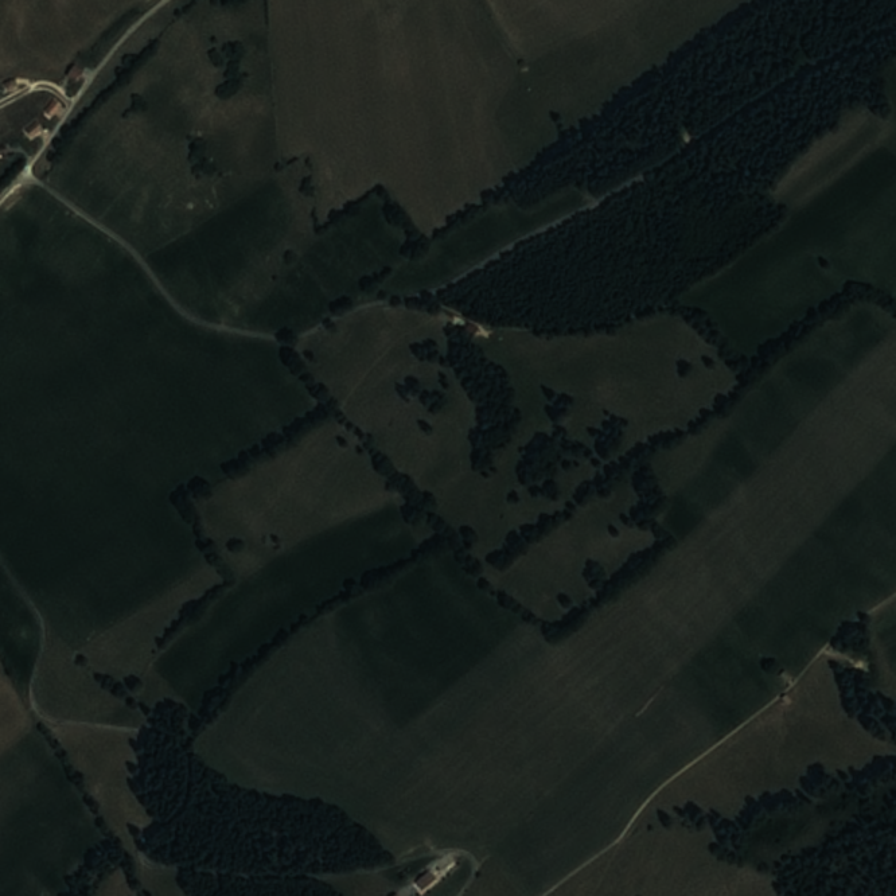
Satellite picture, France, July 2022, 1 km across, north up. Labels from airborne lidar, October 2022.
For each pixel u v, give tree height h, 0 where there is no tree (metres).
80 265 0
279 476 0
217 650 0
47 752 0
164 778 26
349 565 0
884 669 0
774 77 18
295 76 0
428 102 0
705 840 0
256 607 0
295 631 13
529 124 0
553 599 0
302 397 0
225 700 22
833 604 0
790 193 0
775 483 0
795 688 0
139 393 0
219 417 0
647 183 7
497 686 0
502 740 0
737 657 0
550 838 0
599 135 31
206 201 0
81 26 0
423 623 0
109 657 0
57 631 0
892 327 0
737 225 8
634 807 0
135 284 0
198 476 0
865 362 0
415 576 0
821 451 0
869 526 0
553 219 0
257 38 0
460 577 0
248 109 0
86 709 0
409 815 0
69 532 0
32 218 0
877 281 0
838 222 0
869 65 21
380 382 0
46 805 0
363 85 0
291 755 0
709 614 0
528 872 0
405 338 0
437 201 0
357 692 0
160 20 0
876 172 0
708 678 0
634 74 0
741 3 0
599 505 0
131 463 0
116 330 0
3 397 0
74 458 0
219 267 0
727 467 0
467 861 0
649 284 11
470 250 0
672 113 28
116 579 0
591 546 0
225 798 26
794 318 0
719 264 12
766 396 0
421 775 0
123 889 0
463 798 0
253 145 0
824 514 0
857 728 0
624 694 0
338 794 0
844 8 26
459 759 0
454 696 0
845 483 0
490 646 0
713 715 0
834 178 0
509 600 17
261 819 20
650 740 0
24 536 0
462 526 0
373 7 0
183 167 0
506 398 24
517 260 10
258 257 0
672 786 0
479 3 0
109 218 0
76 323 0
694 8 0
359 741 0
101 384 0
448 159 0
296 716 0
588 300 11
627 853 0
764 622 0
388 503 0
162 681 0
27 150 0
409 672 0
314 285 0
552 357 0
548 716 0
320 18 0
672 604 0
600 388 0
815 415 0
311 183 10
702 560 0
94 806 21
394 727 0
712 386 0
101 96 7
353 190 0
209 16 0
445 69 0
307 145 0
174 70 0
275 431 0
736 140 25
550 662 0
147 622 0
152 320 0
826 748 0
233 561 0
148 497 0
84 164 0
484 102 0
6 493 0
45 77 0
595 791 0
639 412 0
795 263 0
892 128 0
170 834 24
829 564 0
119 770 0
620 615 0
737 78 27
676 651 0
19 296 0
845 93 24
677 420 0
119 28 0
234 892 14
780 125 17
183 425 0
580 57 0
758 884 0
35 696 0
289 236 0
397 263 0
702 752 0
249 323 0
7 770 0
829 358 0
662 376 0
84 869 9
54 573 0
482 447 23
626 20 0
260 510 0
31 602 0
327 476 0
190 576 0
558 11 0
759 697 0
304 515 0
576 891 0
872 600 0
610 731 0
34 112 0
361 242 0
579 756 0
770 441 0
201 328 0
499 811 0
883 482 0
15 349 0
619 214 11
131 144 0
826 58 8
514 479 0
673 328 0
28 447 0
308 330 0
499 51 0
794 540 0
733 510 0
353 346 0
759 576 0
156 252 0
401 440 0
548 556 0
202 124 0
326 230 10
